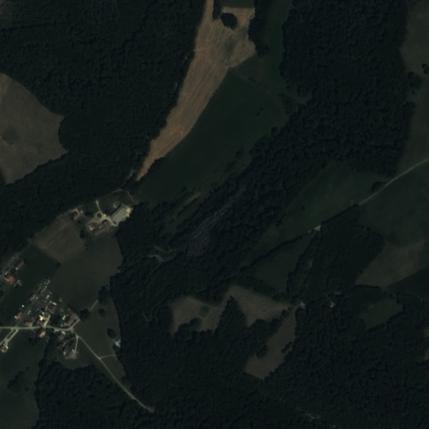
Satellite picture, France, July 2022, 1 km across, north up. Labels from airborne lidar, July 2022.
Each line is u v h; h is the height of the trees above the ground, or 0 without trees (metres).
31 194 22
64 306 0
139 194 0
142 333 24
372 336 17
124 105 17
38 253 0
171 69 22
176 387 27
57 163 15
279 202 27
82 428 24
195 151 0
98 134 18
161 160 13
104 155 20
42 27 18
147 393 23
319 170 19
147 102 24
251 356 13
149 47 21
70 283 0
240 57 0
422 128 0
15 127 0
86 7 23
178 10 30
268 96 0
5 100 0
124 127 17
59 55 22
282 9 0
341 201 0
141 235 14
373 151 29
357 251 16
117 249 0
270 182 23
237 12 0
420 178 0
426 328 13
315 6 23
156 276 19
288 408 25
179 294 14
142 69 29
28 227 33
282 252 12
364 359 25
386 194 0
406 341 19
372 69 21
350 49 18
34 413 0
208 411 33
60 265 9
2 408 0
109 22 9
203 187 0
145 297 10
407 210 0
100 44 20
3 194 16
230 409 31
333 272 12
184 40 19
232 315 15
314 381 25
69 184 22
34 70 21
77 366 0
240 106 0
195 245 23
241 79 0
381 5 25
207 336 16
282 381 14
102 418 26
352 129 27
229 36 0
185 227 7
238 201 21
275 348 0
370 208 0
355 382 26
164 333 17
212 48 0
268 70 0
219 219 20
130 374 25
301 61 28
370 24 23
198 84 0
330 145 27
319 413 8
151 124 23
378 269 0
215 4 12
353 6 18
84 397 28
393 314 0
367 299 18
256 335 20
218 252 27
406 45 0
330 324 24
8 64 18
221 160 0
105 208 0
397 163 16
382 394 27
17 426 0
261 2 21
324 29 21
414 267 0
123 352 23
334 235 16
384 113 25
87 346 0
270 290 12
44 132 0
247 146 0
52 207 31
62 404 26
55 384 20
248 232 31
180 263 19
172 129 0
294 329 0
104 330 0
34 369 0
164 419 21
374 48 19
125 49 18
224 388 25
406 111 18
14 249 23
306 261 17
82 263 0
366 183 0
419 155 0
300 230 0
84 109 18
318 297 17
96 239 0
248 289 13
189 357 27
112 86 22
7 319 0
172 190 0
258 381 14
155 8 23
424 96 0
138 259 17
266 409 24
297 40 29
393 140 20
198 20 26
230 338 19
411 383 18
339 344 27
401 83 19
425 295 0
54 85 20
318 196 0
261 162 21
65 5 10
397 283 0
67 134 19
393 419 19
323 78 21
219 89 0
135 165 19
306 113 22
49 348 10
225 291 19
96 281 0
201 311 0
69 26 21
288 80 14
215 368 23
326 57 28
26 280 0
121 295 18
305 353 25
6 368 0
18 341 0
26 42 22
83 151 16
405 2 22
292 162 25
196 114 0
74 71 24
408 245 0
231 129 0
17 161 0
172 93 19
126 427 33
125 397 34
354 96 25
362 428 11
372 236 16
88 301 0
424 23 0
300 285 15
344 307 22
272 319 0
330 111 30
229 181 10
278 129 7
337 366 30
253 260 0
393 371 22
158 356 23
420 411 28
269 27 0
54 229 0
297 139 26
